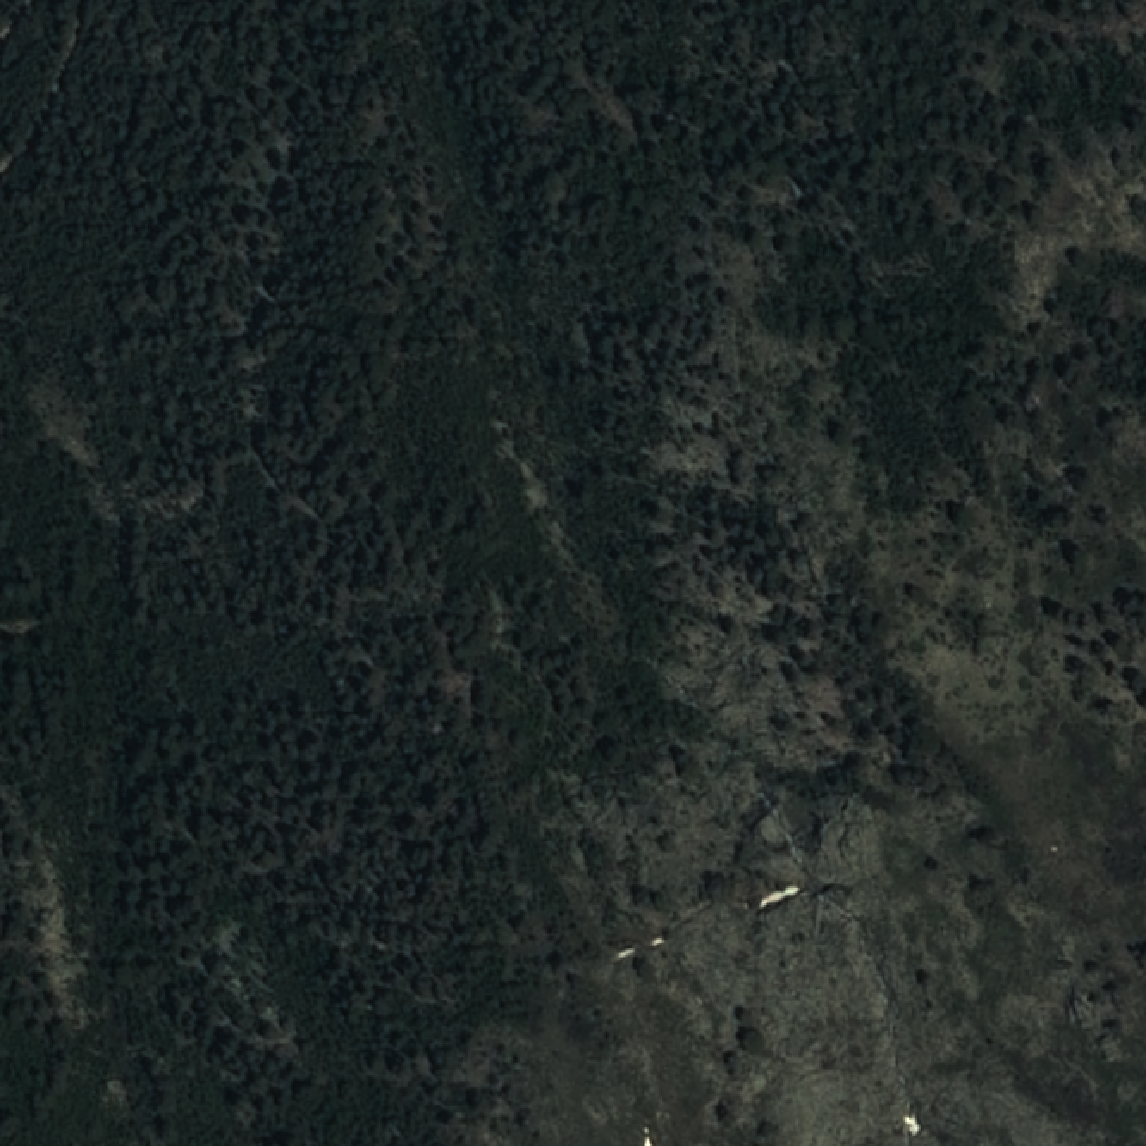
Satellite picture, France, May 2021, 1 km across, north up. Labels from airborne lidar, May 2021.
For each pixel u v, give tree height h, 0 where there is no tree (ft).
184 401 32
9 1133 67
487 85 95
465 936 84
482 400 33
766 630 26
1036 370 23
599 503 37
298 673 32
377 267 90
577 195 29
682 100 109
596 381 100
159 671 107
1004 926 0
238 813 28
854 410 23
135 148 73
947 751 22
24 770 37
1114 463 0
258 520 28
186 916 89
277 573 69
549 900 25
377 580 81
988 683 0
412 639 67
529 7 96
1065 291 29
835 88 22
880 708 48
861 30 28
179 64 52
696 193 24
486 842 66
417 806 30
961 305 35
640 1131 0
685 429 36
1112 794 0
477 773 73
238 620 78
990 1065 0
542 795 38
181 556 60
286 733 88
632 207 51
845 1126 0
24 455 64
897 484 22
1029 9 120
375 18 38
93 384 39
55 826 22
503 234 36
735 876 34
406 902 66
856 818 0
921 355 39
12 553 35
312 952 28
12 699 50
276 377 27
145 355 21
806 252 31
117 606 40
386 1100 25
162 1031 33
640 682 51
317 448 65
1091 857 0
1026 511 30
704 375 41
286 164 80
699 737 31
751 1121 0
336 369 69
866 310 89
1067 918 0
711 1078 0
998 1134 0
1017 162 55
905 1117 0
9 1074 37
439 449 47
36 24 87
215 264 65
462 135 37
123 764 47
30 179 45
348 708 75
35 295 53
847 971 0
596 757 50
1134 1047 0
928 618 0
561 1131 0
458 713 61
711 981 0
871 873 0
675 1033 0
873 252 29
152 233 20
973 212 72
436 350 98
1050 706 0
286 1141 66
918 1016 0
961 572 0
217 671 28
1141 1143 0
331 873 87
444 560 26
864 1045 0
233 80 45
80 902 34
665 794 0
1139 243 0
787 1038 0
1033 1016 0
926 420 25
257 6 71
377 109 81
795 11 26
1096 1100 0
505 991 52
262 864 87
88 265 31
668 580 75
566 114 82
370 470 70
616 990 0
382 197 86
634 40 75
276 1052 20
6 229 54
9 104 65
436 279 62
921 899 0
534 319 40
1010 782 0
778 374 24
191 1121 50
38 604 54
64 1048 62
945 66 59
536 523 52
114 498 20
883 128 28
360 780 75
